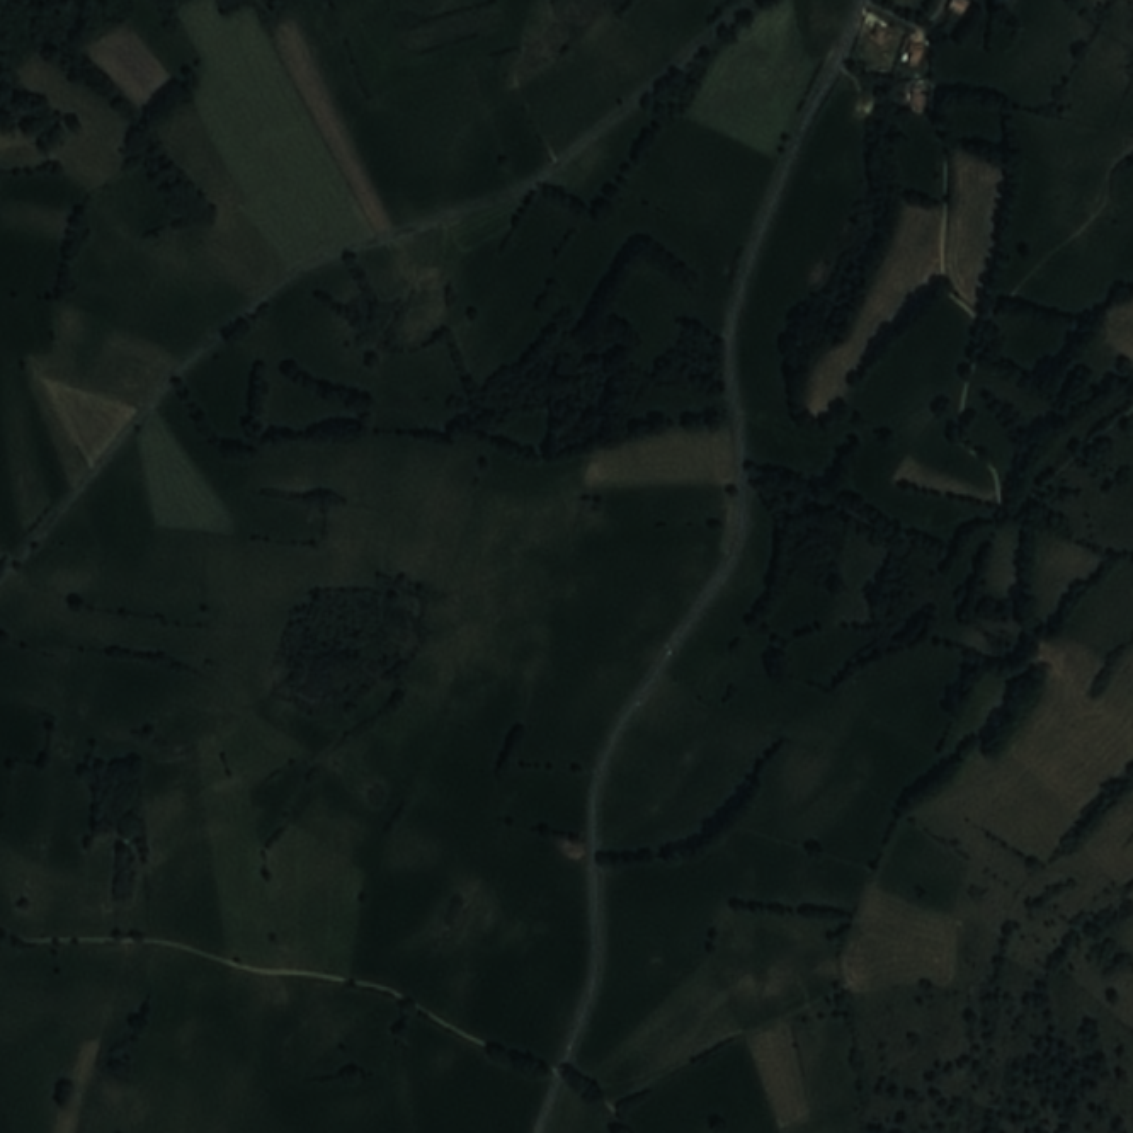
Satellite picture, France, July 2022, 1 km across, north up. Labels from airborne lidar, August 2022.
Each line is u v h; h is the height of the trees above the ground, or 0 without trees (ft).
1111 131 0
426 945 0
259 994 0
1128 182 0
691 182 0
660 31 0
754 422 0
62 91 0
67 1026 0
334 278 0
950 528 0
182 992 0
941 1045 0
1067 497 30
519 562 0
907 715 0
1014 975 0
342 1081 24
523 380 37
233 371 0
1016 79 0
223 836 0
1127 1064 0
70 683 0
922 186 0
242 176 0
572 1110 0
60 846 0
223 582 0
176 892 0
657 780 0
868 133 19
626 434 45
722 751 0
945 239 0
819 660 0
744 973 0
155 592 0
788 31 0
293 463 0
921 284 0
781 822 0
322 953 0
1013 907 0
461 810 0
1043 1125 26
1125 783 29
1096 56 0
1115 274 0
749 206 0
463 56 0
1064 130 0
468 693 0
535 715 0
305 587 0
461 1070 0
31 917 0
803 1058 0
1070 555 0
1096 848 0
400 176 0
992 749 62
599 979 0
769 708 0
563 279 0
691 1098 0
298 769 0
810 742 0
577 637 0
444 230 0
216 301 0
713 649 0
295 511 0
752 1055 0
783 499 37
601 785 0
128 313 0
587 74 0
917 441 0
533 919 0
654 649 0
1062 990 0
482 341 0
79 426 0
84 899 0
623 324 54
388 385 0
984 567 46
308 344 0
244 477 0
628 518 0
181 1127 0
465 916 0
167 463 0
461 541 0
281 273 0
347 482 0
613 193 45
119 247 0
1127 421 29
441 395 0
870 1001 0
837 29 0
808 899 0
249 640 0
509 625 0
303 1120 0
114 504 0
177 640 0
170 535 0
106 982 0
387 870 0
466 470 0
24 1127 0
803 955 0
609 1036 0
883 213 54
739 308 0
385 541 0
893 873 0
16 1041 0
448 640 0
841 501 43
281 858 0
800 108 18
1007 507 41
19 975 0
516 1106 0
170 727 0
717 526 34
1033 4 0
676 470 0
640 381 20
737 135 0
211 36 0
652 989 0
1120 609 0
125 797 46
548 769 24
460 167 0
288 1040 0
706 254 0
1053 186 0
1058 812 0
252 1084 0
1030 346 0
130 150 38
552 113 0
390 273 0
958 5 0
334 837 0
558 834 18
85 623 0
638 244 61
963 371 42
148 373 0
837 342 35
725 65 0
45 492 0
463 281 0
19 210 0
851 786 0
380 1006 0
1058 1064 32
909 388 0
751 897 0
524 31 0
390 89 0
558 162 0
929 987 29
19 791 0
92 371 0
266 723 0
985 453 38
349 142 0
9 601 0
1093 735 0
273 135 0
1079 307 0
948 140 49
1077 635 0
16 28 55
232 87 0
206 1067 0
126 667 0
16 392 0
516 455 45
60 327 0
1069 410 48
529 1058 52
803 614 0
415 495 0
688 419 50
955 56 0
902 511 0
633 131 0
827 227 0
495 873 0
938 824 0
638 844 0
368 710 0
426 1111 0
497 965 0
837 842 0
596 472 0
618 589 0
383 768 0
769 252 0
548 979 0
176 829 0
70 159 0
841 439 0
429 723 0
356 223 0
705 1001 0
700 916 0
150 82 0
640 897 0
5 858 0
